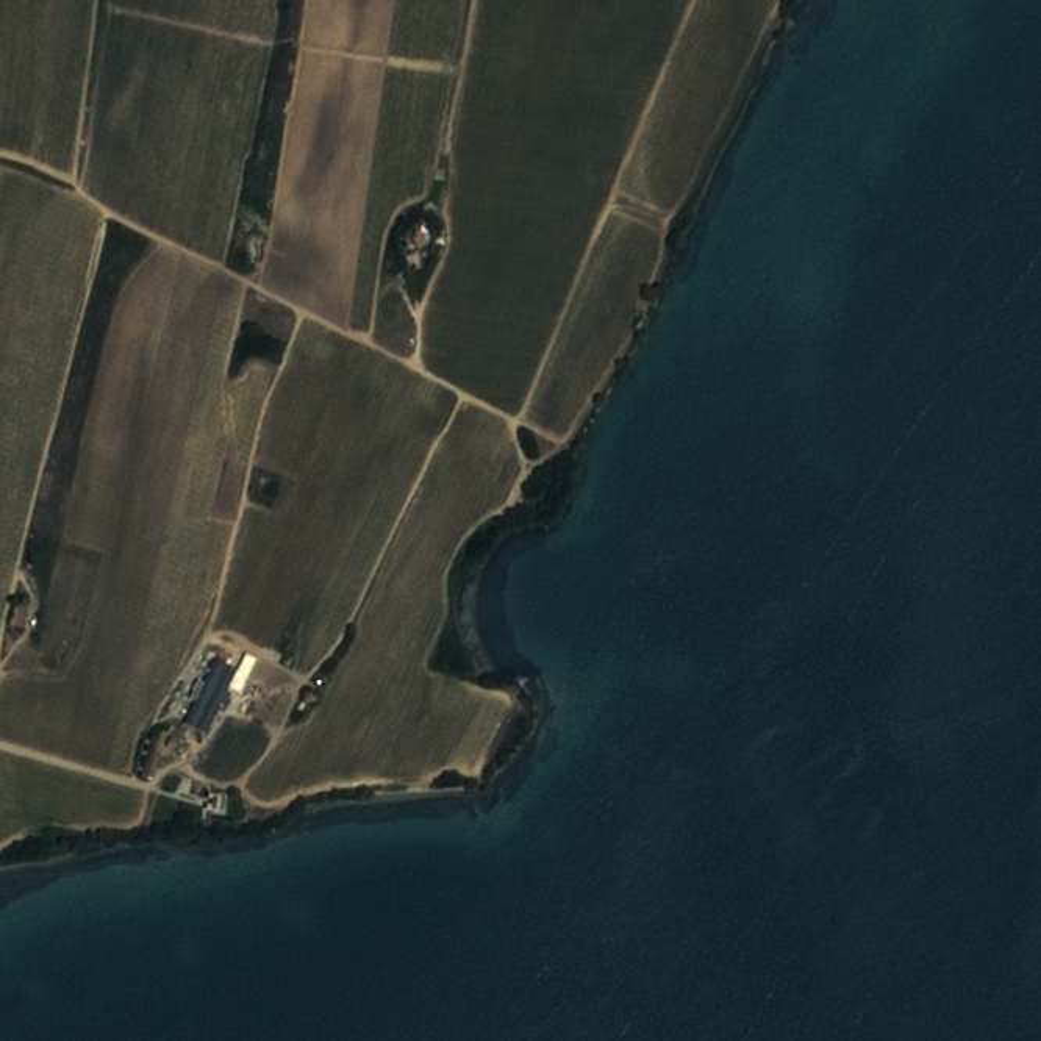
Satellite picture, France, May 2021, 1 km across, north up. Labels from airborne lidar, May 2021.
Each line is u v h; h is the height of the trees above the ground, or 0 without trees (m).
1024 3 0
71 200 0
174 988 0
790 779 0
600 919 0
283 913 0
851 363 0
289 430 0
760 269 0
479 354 0
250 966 0
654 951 0
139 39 0
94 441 0
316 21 0
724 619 0
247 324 9
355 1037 0
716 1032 0
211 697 0
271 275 0
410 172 0
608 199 0
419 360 0
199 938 0
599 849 0
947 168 0
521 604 0
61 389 0
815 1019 0
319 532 0
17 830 0
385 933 0
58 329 0
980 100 0
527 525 9
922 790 0
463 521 0
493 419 0
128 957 0
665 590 0
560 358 0
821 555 0
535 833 0
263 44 0
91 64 0
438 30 0
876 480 0
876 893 0
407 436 0
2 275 0
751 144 0
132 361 0
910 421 0
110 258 0
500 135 0
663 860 0
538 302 0
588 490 0
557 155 0
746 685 0
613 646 0
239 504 0
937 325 0
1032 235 0
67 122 0
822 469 0
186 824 14
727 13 0
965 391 0
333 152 0
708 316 0
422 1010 0
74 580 0
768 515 0
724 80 0
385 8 0
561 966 0
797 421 0
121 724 0
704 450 0
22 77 0
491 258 0
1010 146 0
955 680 0
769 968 0
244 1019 0
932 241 0
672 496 0
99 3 0
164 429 0
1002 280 0
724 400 0
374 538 0
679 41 0
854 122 0
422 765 0
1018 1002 0
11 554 0
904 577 0
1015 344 0
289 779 0
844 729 0
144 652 0
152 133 0
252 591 0
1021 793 0
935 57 0
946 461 0
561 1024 0
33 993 0
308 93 0
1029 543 0
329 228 0
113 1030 0
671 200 0
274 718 0
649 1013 0
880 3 0
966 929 0
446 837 0
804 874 0
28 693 0
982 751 0
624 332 0
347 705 0
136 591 0
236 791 10
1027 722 0
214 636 0
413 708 0
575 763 0
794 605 0
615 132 0
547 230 0
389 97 0
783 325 0
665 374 0
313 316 0
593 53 0
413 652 0
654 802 0
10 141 0
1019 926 0
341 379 0
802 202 0
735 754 0
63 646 0
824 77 0
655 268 0
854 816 0
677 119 0
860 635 0
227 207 0
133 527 0
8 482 0
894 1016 0
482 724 0
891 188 0
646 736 0
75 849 8
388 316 0
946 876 0
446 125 0
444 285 0
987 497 0
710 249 0
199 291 0
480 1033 0
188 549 0
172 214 0
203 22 0
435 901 0
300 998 0
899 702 0
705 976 0
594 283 0
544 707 0
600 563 0
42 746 0
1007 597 0
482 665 0
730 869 0
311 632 0
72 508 0
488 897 0
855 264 0
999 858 0
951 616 0
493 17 0
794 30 0
